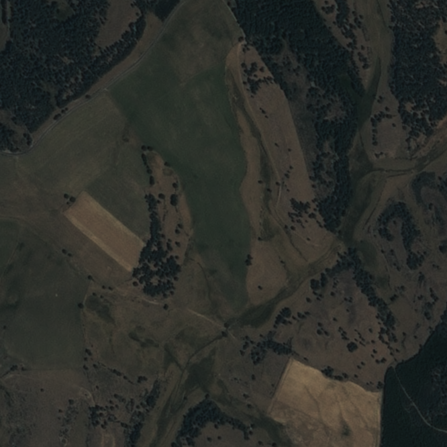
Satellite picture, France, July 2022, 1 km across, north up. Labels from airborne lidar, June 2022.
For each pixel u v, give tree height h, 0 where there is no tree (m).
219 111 0
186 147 0
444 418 15
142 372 0
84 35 22
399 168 0
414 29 18
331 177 6
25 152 0
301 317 11
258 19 18
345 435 0
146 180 0
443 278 0
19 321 0
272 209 0
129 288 0
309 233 0
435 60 17
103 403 0
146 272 15
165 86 0
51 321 0
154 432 0
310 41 20
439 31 0
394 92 15
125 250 0
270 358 0
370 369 0
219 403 0
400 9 20
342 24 17
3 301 0
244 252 0
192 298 0
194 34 0
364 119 0
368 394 0
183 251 0
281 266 0
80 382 0
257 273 0
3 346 0
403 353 0
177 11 0
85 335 0
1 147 9
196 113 0
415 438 7
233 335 0
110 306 0
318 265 0
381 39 0
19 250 0
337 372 0
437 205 0
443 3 21
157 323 0
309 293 0
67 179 0
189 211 0
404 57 23
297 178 0
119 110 0
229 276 0
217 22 0
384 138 0
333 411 0
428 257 0
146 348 0
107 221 0
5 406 0
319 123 14
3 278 0
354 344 15
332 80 20
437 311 0
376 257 0
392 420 9
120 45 16
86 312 0
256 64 9
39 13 19
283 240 0
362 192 0
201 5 0
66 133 0
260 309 0
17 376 0
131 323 0
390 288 0
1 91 11
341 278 0
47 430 0
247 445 0
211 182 0
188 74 0
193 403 0
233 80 0
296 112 0
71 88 13
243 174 0
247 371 0
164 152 0
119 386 0
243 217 0
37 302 0
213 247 0
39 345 0
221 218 0
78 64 23
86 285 0
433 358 15
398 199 0
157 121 0
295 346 0
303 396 0
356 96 0
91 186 0
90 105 0
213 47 0
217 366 0
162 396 0
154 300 0
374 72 0
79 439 0
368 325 0
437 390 7
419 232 15
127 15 0
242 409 0
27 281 0
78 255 0
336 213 16
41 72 26
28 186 0
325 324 0
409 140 6
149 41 0
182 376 0
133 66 0
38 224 0
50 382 0
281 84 16
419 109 18
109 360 0
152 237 13
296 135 0
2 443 0
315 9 23
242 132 0
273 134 0
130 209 0
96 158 0
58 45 18
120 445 0
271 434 0
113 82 0
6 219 0
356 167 0
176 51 0
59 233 0
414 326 0
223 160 0
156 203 8
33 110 18
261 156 0
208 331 0
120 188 0
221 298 0
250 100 0
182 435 10
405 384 8
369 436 0
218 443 0
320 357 0
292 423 0
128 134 0
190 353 0
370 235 0
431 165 0
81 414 0
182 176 0
